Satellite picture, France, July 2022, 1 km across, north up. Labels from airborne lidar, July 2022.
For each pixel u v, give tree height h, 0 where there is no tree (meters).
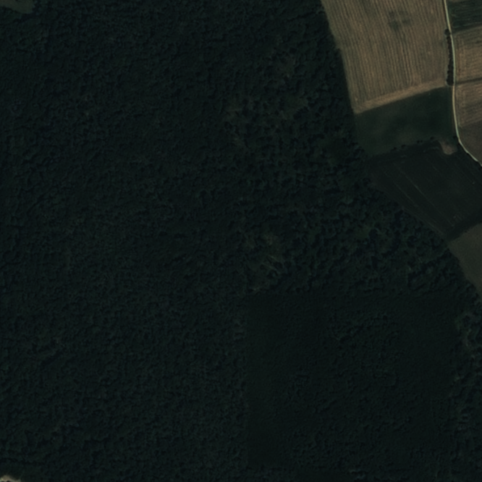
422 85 0
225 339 15
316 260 11
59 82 23
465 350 7
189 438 19
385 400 15
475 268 0
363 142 0
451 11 0
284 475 19
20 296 23
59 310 20
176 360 20
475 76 0
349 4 0
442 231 0
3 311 32
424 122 0
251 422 7
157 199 16
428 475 29
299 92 25
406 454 13
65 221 20
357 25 0
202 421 15
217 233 24
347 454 27
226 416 15
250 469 22
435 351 16
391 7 0
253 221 23
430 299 14
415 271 29
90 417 25
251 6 19
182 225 22
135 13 22
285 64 23
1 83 20
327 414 27
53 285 19
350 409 27
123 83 23
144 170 19
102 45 20
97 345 22
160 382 18
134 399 20
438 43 0
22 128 26
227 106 26
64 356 22
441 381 19
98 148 17
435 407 20
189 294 21
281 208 30
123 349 19
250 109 24
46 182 21
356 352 20
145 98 19
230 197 24
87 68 19
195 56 22
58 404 19
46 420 21
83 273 16
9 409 28
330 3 0
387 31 0
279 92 18
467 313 7
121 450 23
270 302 10
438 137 0
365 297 14
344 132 10
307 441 29
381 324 26
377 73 0
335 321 17
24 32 19
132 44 16
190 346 18
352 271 23
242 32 16
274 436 10
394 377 23
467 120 0
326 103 24
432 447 15
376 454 24
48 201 21
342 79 12
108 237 14
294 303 14
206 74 8
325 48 23
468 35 0
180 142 20
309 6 23
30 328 28
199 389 16
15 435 24
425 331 13
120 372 17
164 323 17
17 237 17
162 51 22
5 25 19
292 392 20
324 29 22
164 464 19
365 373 25
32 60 25
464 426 19
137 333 21
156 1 18
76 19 24
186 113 22
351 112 20
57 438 26
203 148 21
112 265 17
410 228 31
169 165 18
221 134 15
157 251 20
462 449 27
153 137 20
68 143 19
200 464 13
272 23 24
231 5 17
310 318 15
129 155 18
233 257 24
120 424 12
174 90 23
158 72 19
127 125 18
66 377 19
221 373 22
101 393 26
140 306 16
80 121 16
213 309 19
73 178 19
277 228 28
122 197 15
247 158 11
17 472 20
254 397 9
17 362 28
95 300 21
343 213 18
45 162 23
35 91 26
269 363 10
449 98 0
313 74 8
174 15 18
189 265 25
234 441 19
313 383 29
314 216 23
